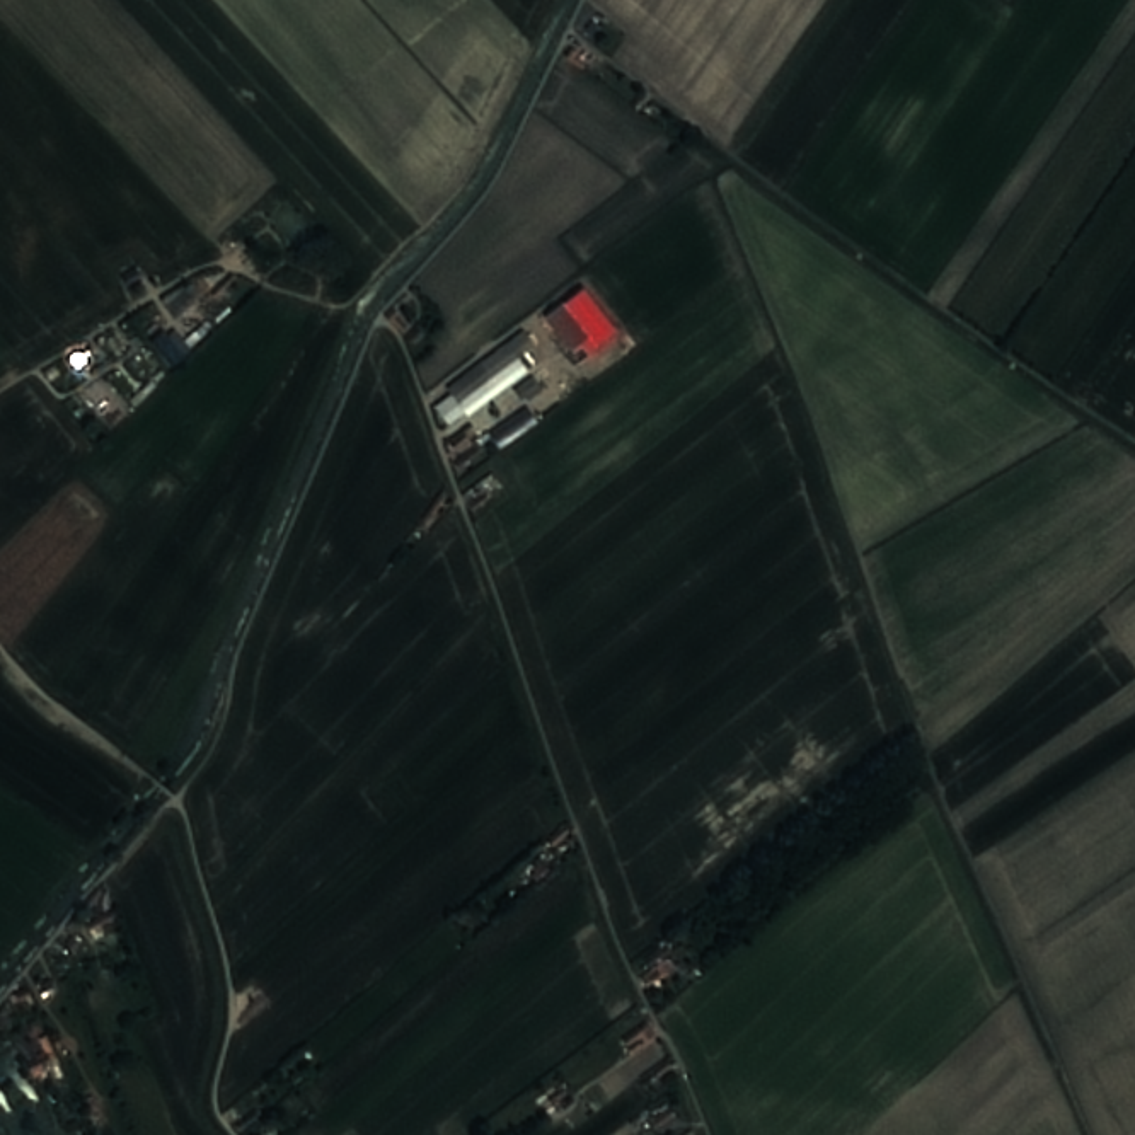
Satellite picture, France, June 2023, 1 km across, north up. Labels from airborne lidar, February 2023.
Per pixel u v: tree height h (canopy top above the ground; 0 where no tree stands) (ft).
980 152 0
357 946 0
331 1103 0
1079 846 0
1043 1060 0
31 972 0
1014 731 0
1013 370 0
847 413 0
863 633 0
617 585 0
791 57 0
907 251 0
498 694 0
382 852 0
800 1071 0
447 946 0
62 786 0
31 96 0
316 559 0
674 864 0
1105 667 0
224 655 0
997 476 0
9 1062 0
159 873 0
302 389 0
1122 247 0
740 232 0
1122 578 0
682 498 0
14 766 0
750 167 0
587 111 0
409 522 0
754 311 0
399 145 0
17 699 0
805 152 0
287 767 0
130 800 0
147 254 0
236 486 0
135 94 0
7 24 0
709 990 0
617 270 0
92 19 0
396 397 0
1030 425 0
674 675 0
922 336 0
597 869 0
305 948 0
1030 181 0
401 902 0
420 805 0
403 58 0
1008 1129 0
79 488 0
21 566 0
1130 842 0
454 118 0
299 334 0
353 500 0
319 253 51
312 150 0
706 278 0
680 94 0
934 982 0
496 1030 0
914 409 0
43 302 0
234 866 0
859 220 0
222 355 0
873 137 0
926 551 0
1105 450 0
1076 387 0
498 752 0
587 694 0
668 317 0
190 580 0
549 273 0
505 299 0
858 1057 0
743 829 0
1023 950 0
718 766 0
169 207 0
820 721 0
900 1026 0
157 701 0
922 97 0
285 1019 0
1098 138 0
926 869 0
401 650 0
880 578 0
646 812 0
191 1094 0
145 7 0
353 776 0
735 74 0
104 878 0
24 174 0
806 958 0
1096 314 0
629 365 0
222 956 0
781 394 0
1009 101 0
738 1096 0
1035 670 0
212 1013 0
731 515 0
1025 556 0
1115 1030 0
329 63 0
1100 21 0
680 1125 0
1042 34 0
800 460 0
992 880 0
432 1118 0
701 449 0
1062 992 0
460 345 0
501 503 0
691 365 0
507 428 0
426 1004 0
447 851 0
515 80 0
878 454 0
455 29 0
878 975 0
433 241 0
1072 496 0
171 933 0
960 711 0
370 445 0
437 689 0
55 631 0
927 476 0
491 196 0
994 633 0
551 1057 0
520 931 0
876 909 0
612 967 0
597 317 0
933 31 0
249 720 0
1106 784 0
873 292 0
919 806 0
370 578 0
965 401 0
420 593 0
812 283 0
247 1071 0
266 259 0
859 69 0
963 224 0
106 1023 0
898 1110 0
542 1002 0
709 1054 0
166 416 0
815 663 0
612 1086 0
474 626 0
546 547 0
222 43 0
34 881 0
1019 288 0
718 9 0
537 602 0
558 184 0
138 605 0
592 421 0
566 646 0
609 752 0
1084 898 0
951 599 0
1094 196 0
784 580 0
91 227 0
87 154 0
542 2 0
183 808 0
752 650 0
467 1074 0
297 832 0
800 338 0
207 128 0
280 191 0
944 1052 0
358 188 0
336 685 0
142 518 0
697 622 0
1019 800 0
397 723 0
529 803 0
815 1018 0
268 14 0
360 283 0
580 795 0
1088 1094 0
